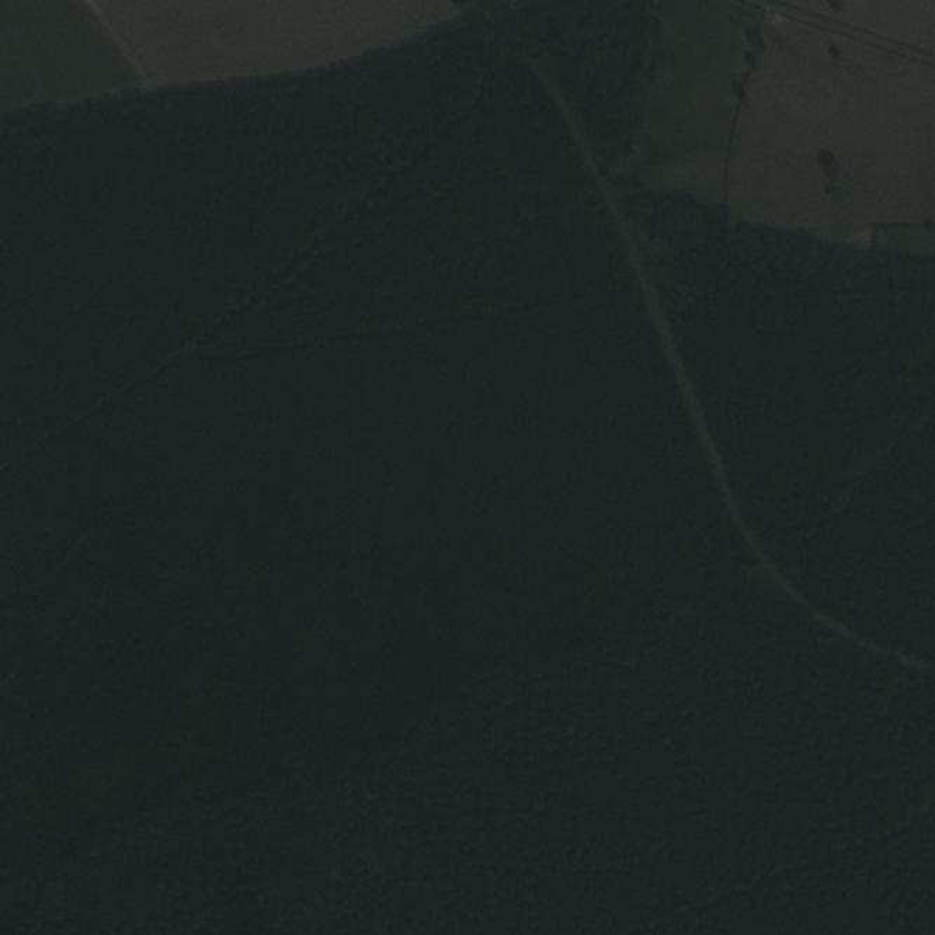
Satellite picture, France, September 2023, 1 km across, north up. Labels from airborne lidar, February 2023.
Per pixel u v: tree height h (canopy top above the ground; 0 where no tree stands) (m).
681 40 0
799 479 19
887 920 24
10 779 15
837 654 24
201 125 20
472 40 20
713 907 18
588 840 20
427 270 25
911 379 21
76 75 0
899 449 20
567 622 16
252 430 16
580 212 21
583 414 17
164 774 14
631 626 20
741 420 18
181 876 27
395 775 17
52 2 0
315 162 20
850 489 22
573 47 16
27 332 21
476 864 22
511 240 22
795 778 20
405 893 23
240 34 0
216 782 21
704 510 18
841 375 13
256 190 21
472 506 16
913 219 0
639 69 18
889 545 18
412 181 20
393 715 18
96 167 18
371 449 16
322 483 15
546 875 21
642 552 20
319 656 13
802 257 20
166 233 19
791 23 0
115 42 0
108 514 20
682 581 21
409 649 17
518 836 20
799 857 18
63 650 20
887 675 23
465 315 19
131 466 20
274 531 18
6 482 17
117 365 19
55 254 20
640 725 21
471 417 16
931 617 24
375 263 23
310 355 17
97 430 18
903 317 16
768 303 17
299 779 26
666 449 18
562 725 26
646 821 24
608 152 18
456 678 20
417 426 16
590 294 18
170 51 0
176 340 17
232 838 26
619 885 21
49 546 20
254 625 15
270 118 15
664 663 16
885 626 23
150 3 0
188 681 19
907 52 0
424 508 18
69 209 18
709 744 22
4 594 20
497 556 14
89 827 23
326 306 17
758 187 0
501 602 15
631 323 17
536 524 16
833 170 17
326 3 0
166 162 22
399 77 19
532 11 18
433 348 16
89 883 21
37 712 16
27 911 27
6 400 21
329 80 15
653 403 17
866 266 18
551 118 19
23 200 21
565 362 16
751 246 23
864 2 0
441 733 26
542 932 22
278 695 16
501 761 23
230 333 16
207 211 19
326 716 15
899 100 0
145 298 21
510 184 18
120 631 19
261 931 28
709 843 20
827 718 21
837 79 0
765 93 0
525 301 13
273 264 14
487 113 22
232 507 16
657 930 19
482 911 20
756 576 21
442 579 16
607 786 25
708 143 0
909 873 25
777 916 24
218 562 15
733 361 19
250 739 18
